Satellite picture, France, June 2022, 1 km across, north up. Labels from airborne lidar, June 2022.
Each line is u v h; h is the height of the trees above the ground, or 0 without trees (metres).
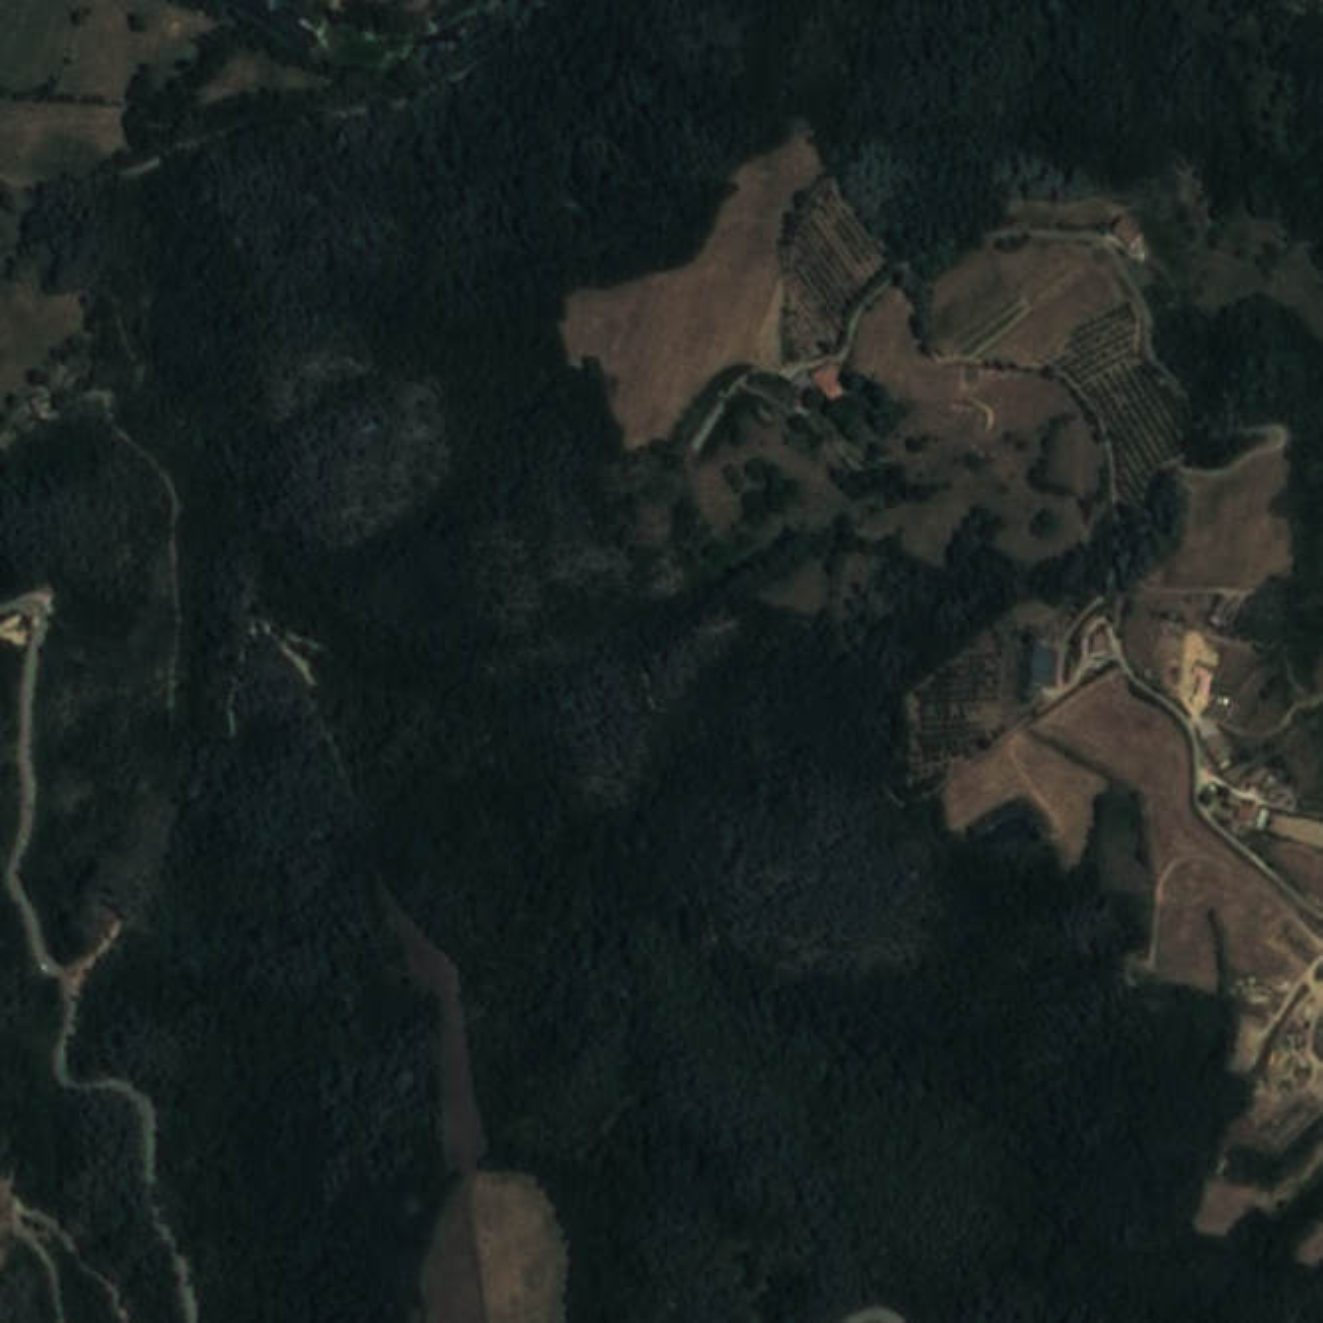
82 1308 11
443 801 15
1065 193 17
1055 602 8
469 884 16
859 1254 17
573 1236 10
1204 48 22
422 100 13
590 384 12
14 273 11
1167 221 0
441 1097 6
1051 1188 25
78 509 13
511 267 14
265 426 8
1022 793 0
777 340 0
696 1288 18
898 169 17
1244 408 8
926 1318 11
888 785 10
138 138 25
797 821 8
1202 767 0
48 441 6
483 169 11
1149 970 0
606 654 9
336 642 6
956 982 7
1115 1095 11
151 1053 23
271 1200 10
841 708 12
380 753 13
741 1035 18
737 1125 18
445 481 9
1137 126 12
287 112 11
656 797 20
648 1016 19
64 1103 11
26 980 21
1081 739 0
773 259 0
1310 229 12
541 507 11
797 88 10
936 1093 20
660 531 0
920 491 12
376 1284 10
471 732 9
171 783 8
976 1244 13
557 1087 16
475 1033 15
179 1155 11
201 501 10
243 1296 19
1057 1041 7
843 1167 20
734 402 6
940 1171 13
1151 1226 7
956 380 0
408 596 8
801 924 9
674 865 9
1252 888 0
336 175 12
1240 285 0
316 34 0
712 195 15
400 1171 11
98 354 7
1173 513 20
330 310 12
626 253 13
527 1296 0
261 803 12
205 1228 15
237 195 20
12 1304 9
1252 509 0
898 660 9
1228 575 0
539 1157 19
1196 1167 8
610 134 10
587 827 23
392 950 11
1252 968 0
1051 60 19
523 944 15
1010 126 12
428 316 16
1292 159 10
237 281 8
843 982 10
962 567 17
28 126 0
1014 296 0
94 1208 17
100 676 7
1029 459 0
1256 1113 0
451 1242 0
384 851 13
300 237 11
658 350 0
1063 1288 21
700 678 7
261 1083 16
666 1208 18
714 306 0
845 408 15
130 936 12
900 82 17
